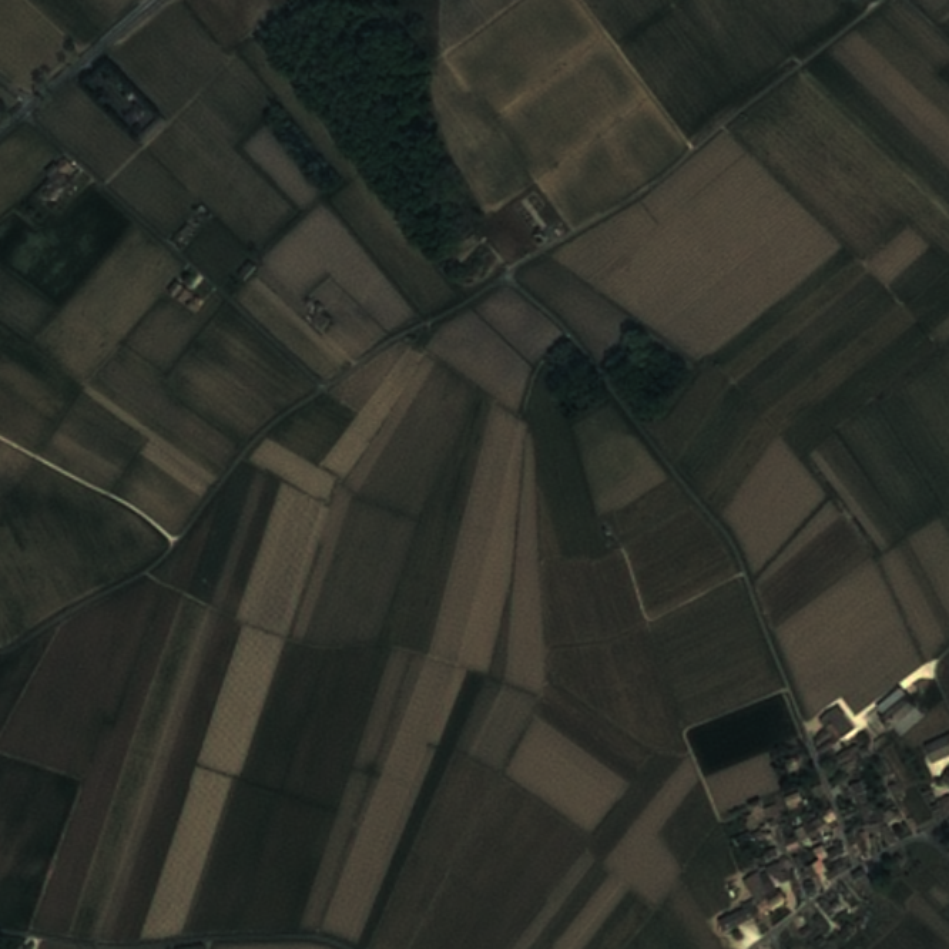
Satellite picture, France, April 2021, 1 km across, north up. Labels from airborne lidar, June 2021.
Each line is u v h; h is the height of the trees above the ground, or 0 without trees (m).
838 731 0
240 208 0
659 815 0
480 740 0
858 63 0
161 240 0
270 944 0
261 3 0
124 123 9
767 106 0
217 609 0
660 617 0
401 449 0
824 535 0
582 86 0
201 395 0
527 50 0
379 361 0
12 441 0
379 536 0
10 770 0
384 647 0
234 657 0
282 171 0
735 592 0
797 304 0
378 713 0
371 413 0
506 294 0
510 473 0
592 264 0
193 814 0
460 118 0
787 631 0
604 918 0
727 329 0
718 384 0
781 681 0
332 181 12
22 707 0
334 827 0
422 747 0
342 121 20
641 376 16
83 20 0
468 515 0
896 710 0
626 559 0
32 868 0
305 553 0
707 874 0
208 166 0
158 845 0
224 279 0
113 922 0
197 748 0
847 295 0
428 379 0
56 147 0
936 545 0
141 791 0
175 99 0
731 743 0
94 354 0
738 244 0
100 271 0
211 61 0
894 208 0
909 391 0
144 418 0
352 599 0
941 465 0
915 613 0
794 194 0
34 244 0
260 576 0
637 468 0
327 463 0
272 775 0
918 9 0
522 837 0
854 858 0
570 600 0
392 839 0
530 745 0
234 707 0
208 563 0
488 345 0
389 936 0
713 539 0
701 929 0
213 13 0
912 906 0
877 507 0
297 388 0
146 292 0
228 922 0
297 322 0
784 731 0
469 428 0
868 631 0
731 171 0
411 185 23
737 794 0
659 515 0
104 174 0
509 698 0
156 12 0
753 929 0
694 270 0
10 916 0
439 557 0
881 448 0
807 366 0
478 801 0
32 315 0
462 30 0
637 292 0
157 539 0
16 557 0
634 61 0
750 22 0
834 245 0
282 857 0
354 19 12
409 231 17
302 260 0
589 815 0
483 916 0
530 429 0
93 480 0
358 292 0
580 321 0
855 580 0
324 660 0
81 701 0
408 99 19
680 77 0
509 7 0
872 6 0
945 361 0
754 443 0
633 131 0
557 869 0
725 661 0
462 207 9
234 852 0
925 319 0
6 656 0
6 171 0
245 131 0
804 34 0
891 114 0
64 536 0
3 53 0
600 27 0
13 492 0
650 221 0
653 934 0
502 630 0
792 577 0
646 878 0
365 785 0
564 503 0
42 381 0
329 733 0
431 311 0
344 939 0
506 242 0
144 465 0
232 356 0
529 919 0
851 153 0
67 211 0
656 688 0
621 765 0
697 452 0
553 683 0
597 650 0
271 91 0
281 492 0
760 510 0
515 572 0
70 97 0
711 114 0
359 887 0
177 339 0
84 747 0
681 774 0
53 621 0
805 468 0
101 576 0
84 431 0
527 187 0
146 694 0
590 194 0
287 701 0
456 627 0
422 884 0
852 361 0
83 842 0
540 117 0
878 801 9
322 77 20
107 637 0
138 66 0
